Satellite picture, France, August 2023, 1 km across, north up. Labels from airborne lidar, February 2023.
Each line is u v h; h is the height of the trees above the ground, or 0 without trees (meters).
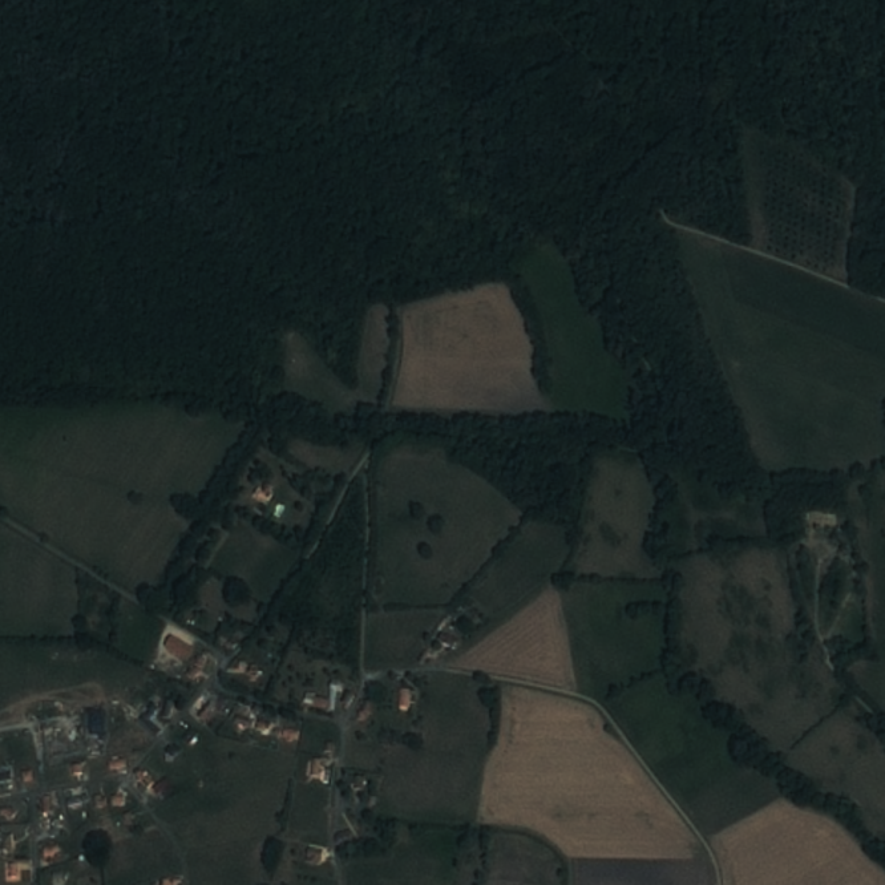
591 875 0
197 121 23
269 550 0
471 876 0
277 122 26
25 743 0
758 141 0
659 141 12
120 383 21
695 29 22
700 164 12
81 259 27
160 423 0
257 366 21
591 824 0
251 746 0
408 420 19
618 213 16
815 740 0
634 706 0
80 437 0
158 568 0
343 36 19
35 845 0
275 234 19
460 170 16
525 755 0
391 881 0
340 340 21
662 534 7
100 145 23
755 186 0
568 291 0
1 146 25
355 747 0
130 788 0
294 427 20
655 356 16
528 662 0
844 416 0
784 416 0
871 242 8
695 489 0
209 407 14
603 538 0
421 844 0
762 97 20
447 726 0
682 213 11
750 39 24
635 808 0
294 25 23
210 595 0
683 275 12
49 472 0
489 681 10
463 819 0
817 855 0
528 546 0
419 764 0
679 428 18
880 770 0
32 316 24
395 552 0
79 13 16
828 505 8
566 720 0
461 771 0
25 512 0
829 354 0
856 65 21
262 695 10
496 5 23
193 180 27
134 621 0
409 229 20
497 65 15
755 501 19
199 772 0
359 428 19
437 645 9
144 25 22
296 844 0
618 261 16
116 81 20
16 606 0
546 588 0
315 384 0
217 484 12
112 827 0
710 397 7
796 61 20
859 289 12
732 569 0
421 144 22
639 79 23
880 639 0
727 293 0
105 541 0
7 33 19
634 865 0
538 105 25
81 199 26
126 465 0
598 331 0
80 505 0
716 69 22
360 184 20
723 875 0
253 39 17
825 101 21
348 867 0
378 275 20
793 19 15
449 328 0
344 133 21
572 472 22
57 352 27
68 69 16
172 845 0
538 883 0
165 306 24
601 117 22
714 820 0
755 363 0
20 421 0
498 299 0
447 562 0
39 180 23
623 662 0
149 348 23
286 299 24
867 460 0
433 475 0
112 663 0
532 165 27
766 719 0
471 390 0
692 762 0
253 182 24
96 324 20
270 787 0
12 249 26
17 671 0
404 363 0
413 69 21
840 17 7
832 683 0
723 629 0
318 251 23
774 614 0
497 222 19
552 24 24
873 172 19
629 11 20
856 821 14
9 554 0
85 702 0
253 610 0
